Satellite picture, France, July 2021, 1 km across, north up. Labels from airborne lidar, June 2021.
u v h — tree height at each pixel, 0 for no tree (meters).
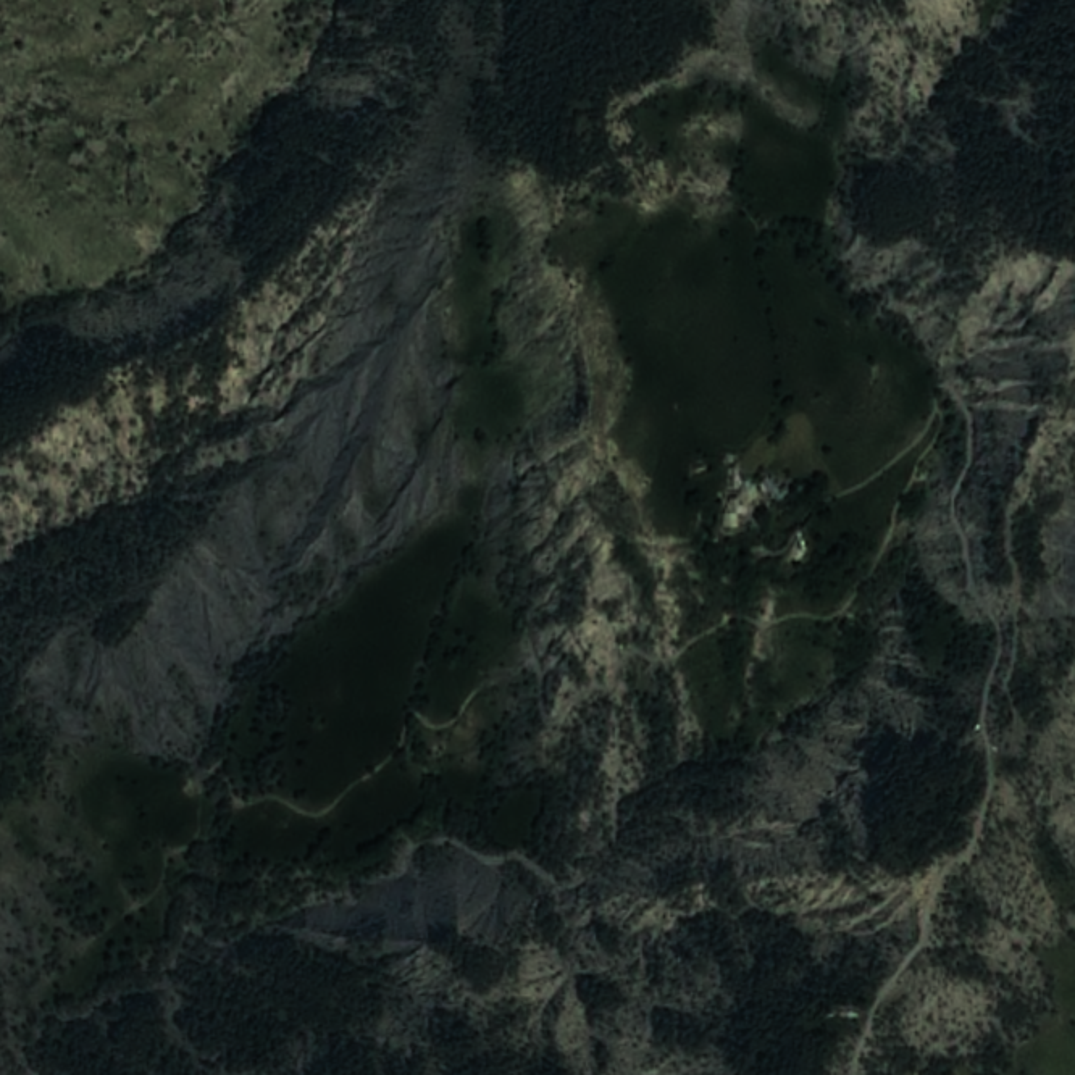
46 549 18
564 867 12
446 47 6
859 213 8
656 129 0
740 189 12
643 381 0
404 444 0
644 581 6
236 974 15
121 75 0
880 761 11
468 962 10
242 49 0
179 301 0
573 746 9
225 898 13
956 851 7
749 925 10
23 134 5
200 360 7
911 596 12
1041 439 0
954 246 6
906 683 7
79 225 0
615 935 8
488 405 0
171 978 14
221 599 0
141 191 0
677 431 0
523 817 0
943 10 0
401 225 0
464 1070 14
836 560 10
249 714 0
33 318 14
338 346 0
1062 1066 0
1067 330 0
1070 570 0
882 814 13
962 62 12
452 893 0
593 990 14
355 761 0
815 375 0
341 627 0
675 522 0
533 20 10
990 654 7
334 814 0
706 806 10
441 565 0
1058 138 9
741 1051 14
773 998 11
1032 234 7
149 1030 13
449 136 0
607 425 0
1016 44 9
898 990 0
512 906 0
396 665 0
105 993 11
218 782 13
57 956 6
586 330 0
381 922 0
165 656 0
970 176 10
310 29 8
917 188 8
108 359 9
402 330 0
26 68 0
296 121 10
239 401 0
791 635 7
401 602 0
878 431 0
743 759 10
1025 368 0
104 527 14
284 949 17
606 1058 10
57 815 0
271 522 0
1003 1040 7
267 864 11
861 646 25
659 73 9
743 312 0
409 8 9
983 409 0
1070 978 0
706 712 0
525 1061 10
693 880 6
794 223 13
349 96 0
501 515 0
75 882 12
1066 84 10
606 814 7
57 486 0
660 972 7
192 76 0
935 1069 9
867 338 0
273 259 6
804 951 9
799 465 0
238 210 8
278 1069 7
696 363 0
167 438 11
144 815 7
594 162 8
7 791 10
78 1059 13
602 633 0
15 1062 9
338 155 8
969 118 10
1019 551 9
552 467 0
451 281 0
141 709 0
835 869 6
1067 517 0
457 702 0
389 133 6
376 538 0
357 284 0
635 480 0
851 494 0
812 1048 12
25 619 11
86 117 0
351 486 0
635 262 0
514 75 12
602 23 16
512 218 0
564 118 9
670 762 8
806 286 0
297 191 11
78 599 8
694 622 6
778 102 0
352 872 12
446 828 13
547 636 0
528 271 0
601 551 0
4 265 0
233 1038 11
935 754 17
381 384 0
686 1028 15
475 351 0
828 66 0
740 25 0
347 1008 11
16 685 7
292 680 0
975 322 0
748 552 11
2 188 0
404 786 0
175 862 10
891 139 7
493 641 0
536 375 0
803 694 0
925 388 0
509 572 6
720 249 0
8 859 0
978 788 7
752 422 0
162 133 0
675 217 0
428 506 0
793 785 0
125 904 0
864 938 0
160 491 11
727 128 0
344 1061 15
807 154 0
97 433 0
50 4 0
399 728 0
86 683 0
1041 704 7
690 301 0
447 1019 11
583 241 0
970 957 8
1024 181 14
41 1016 9
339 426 0
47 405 8
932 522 0
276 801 0
